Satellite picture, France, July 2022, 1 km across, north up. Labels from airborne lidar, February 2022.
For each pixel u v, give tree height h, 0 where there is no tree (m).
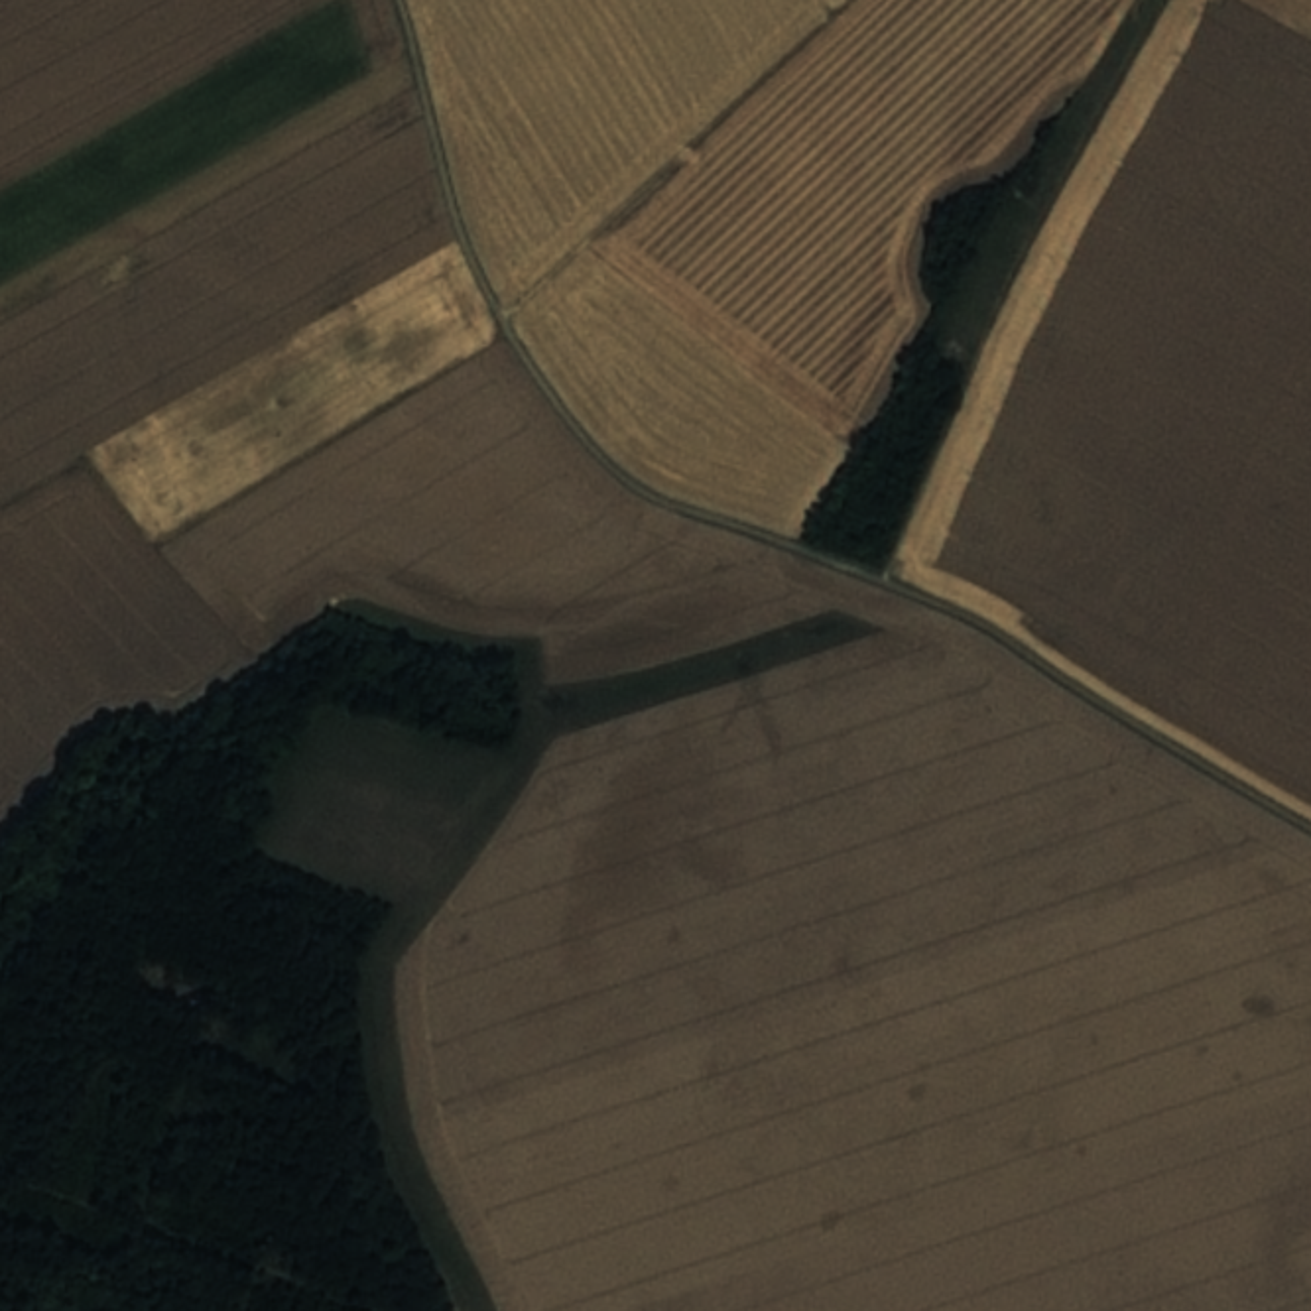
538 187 0
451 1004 0
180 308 0
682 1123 0
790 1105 0
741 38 0
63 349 0
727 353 0
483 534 0
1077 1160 0
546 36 0
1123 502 0
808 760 0
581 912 0
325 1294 22
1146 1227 0
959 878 0
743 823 0
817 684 0
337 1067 15
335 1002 20
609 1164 0
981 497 0
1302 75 0
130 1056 18
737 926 0
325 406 0
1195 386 0
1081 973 0
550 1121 0
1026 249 0
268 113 0
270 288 0
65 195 0
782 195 0
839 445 0
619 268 0
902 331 0
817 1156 0
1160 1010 0
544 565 0
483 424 0
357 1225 14
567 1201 0
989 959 0
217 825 21
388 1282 19
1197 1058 0
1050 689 0
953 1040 0
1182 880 0
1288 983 0
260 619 0
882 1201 0
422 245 0
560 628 0
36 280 0
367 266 0
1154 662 0
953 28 0
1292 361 0
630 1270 0
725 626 0
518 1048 0
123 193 0
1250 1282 0
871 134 0
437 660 22
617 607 0
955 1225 0
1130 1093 0
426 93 0
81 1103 16
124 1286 19
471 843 0
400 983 0
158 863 20
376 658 13
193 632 0
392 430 0
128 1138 9
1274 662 0
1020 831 0
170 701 0
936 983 0
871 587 0
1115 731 0
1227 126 0
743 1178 0
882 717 0
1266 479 0
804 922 0
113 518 0
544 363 0
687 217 0
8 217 0
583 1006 0
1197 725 0
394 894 0
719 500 0
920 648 0
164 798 22
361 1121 20
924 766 0
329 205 0
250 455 0
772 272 0
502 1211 0
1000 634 0
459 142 0
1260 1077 0
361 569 0
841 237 0
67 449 0
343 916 15
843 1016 0
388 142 0
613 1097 0
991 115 0
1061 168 0
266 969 19
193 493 0
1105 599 0
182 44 0
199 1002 16
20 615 0
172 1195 20
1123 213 0
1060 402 0
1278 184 0
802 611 0
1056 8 0
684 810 0
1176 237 0
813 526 9
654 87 0
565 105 0
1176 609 0
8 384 0
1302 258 0
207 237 0
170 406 0
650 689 0
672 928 0
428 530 0
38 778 0
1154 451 0
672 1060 0
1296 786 0
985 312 0
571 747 0
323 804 0
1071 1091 0
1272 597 0
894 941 0
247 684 14
